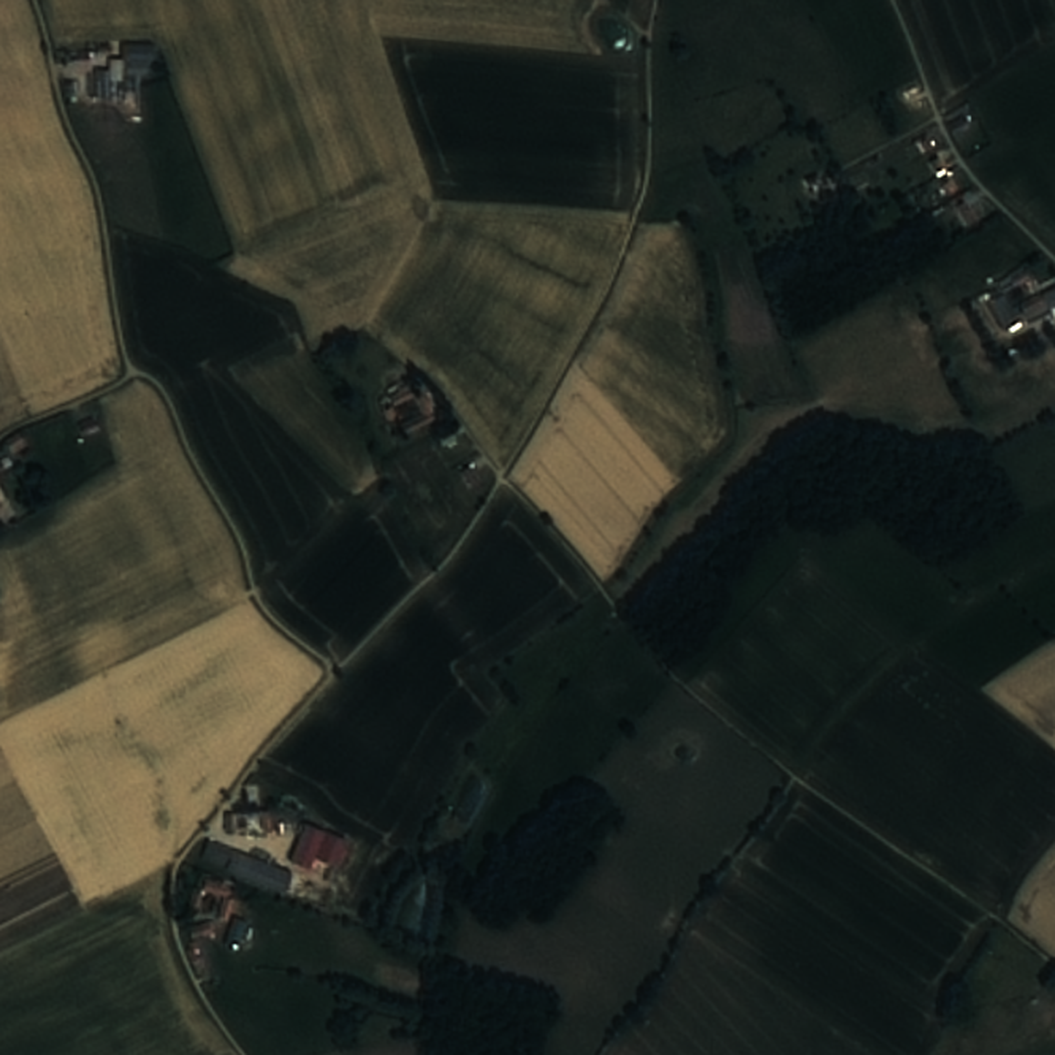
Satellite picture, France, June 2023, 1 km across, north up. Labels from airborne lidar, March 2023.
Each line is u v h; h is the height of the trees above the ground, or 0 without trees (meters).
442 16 0
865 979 0
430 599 0
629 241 0
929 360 0
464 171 0
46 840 0
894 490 25
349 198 0
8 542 0
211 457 0
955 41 0
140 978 0
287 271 0
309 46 0
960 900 0
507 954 0
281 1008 0
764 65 0
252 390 0
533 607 0
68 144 0
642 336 0
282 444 0
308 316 0
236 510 0
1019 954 0
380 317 0
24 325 0
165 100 0
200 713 0
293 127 0
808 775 0
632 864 0
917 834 0
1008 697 0
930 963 0
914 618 0
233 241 0
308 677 0
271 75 0
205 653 0
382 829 0
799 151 0
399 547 0
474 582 0
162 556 0
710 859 0
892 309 0
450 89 0
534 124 0
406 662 0
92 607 0
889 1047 0
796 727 0
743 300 0
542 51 0
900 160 0
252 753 0
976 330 18
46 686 0
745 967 0
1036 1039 0
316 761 0
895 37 0
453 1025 26
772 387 0
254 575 0
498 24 0
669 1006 0
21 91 0
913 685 0
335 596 0
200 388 0
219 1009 0
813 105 0
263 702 0
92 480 0
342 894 0
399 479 0
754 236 8
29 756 0
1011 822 0
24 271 0
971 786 0
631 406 0
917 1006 0
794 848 0
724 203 0
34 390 0
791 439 21
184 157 0
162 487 0
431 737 0
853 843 0
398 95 0
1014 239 0
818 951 0
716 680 0
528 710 0
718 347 6
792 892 0
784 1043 0
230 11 0
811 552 0
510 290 0
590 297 0
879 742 0
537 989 19
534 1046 21
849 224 14
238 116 0
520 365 0
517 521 0
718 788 0
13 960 0
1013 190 0
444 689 0
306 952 0
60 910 0
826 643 0
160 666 0
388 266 0
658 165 0
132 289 0
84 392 0
